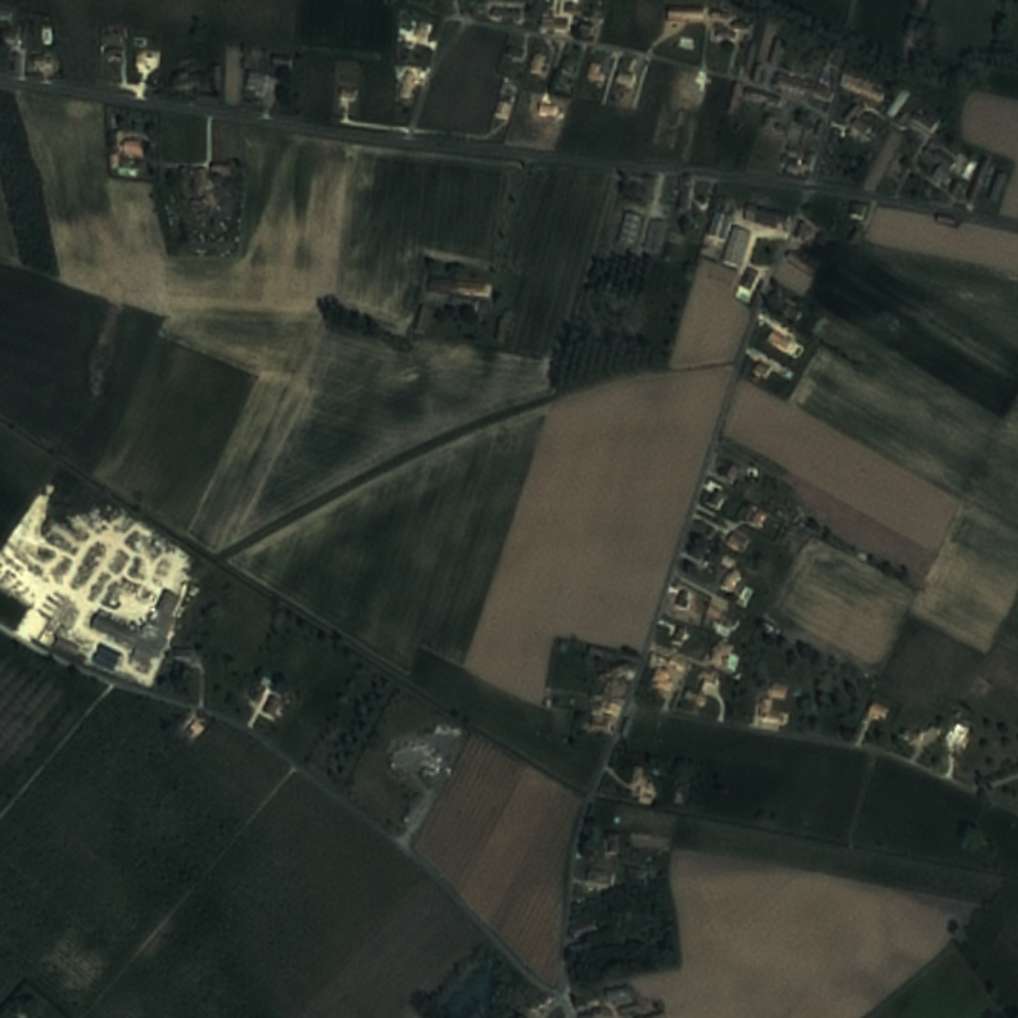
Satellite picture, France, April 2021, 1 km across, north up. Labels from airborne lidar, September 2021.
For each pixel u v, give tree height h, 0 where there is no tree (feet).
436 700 0
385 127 0
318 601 0
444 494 0
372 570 0
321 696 0
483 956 56
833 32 65
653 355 77
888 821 0
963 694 0
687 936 0
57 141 0
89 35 0
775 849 0
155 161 43
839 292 0
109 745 27
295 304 0
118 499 0
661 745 0
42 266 18
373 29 0
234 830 26
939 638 0
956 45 0
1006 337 0
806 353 0
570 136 0
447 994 46
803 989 0
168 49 0
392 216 0
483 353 0
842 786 0
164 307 0
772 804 0
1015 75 50
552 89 26
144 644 0
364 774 0
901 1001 0
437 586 0
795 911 0
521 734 0
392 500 0
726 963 0
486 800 0
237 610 0
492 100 0
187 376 0
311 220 0
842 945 0
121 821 24
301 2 0
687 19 0
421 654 0
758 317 0
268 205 0
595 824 41
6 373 0
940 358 0
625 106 0
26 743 25
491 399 0
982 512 0
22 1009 46
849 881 0
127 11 0
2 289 0
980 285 0
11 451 0
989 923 0
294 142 0
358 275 0
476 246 0
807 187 0
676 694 19
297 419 0
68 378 0
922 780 0
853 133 25
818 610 0
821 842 0
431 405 0
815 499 0
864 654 0
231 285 0
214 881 23
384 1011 0
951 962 0
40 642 0
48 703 30
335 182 0
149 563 0
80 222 0
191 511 0
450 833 0
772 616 0
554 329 0
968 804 0
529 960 0
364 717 48
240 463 0
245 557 0
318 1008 0
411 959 0
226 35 0
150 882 27
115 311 0
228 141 0
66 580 0
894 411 0
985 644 0
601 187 0
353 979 0
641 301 34
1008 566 0
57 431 0
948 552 0
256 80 0
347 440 0
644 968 23
